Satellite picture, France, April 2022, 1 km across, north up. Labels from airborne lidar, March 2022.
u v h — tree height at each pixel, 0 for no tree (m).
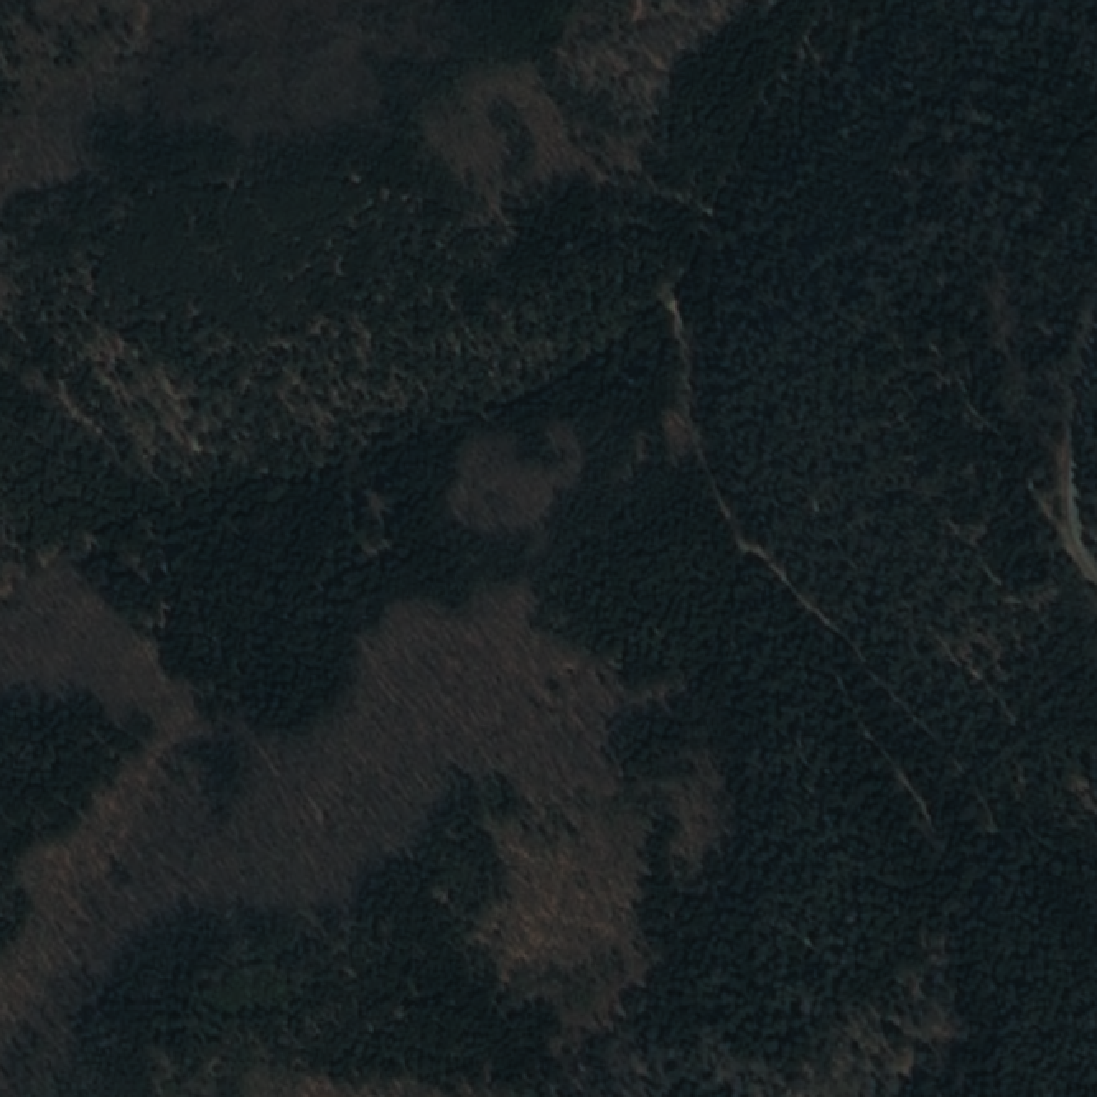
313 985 18
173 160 13
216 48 8
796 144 14
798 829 26
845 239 8
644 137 15
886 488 20
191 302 13
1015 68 14
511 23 17
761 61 22
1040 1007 28
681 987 29
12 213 13
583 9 14
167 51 11
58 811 30
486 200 16
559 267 24
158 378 24
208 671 21
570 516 22
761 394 33
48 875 23
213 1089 13
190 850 23
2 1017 23
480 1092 21
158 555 8
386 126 16
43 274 7
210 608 19
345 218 10
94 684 23
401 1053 25
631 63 27
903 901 25
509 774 25
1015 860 31
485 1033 26
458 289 18
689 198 20
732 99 21
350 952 19
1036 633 25
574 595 23
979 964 31
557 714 21
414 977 22
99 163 10
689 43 23
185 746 23
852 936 27
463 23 12
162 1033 15
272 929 18
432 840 21
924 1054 12
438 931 20
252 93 16
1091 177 14
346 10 11
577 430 15
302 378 18
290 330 7
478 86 17
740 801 26
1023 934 25
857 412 10
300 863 26
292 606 25
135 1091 22
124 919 22
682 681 22
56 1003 23
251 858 22
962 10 8
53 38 29
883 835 23
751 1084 24
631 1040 29
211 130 13
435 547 23
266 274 11
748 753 22
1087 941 23
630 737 25
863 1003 23
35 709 24
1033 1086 25
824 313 9
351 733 26
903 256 27
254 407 9
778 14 12
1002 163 15
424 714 26
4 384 19
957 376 9
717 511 24
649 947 20
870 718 28
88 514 27
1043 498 32
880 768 23
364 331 17
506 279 21
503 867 19
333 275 9
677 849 15
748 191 29
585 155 18
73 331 13
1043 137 16
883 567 31
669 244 20
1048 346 20
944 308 19
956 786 23
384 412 21
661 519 25
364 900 17
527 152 25
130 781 21
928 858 31
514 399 25
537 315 21
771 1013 23
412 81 16
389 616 24
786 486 27
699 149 17
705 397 25
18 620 27
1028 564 12
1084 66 23
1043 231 17
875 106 14
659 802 16
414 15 11
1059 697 25
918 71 11
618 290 29
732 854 25
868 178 8
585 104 16
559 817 22
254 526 17
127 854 27
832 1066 24
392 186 14
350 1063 21
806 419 31
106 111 18
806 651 27
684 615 24
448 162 19
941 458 10
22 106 13
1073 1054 29
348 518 23
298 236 9
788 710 17
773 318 9
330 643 26
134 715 24
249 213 13
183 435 23
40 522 27
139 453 25
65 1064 18
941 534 6
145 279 13
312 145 16
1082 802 7
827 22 15
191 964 20
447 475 26
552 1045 12
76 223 14
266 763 23
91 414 23
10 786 22
